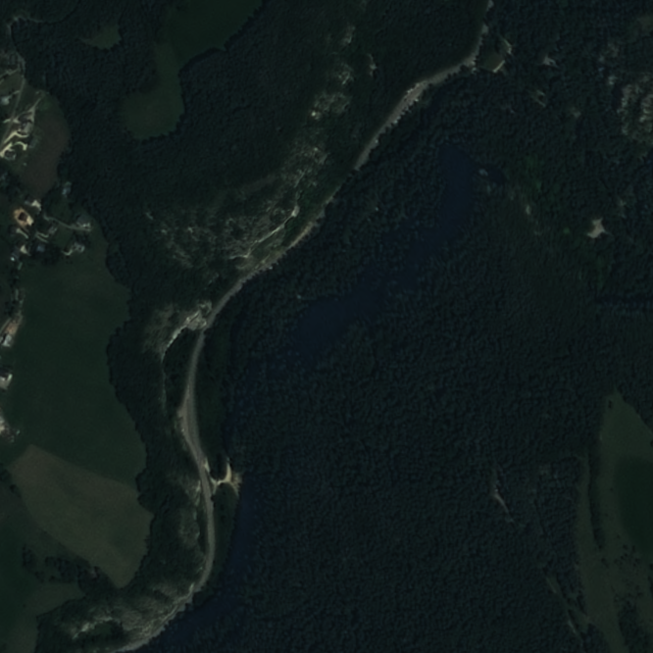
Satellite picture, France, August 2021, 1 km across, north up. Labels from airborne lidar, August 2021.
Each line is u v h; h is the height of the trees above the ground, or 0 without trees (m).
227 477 0
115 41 0
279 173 6
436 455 27
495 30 16
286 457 20
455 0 14
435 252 19
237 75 29
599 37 8
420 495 28
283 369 26
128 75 20
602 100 23
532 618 26
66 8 22
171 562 10
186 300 12
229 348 6
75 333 0
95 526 0
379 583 23
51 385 0
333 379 21
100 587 25
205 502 0
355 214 31
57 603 0
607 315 12
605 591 0
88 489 0
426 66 21
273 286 23
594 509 14
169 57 0
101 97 24
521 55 27
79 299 0
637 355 20
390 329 23
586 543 0
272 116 20
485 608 21
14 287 9
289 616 15
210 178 15
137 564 0
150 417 17
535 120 25
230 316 23
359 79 22
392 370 20
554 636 18
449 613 21
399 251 27
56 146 0
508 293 28
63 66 26
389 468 17
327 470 19
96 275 0
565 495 24
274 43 16
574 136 18
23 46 18
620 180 29
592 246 26
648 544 0
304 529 17
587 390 30
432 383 21
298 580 19
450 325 23
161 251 12
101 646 0
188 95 19
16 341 0
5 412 0
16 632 0
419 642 24
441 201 29
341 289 22
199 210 8
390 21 23
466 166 23
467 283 17
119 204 27
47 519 0
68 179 6
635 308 25
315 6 18
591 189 25
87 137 24
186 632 28
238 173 14
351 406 17
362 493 15
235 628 27
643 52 7
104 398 0
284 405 20
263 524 19
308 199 20
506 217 9
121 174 15
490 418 27
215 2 0
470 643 25
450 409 19
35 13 11
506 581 20
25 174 0
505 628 23
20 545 0
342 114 12
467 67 19
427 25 24
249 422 24
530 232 16
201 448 0
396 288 19
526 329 15
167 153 24
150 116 0
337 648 27
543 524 24
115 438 0
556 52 11
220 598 11
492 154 25
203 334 0
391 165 24
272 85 18
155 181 11
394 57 24
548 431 22
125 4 26
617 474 0
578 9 19
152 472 16
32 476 0
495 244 18
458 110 23
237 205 6
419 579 15
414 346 21
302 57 14
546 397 17
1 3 24
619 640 0
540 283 12
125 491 0
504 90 25
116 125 24
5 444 0
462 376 25
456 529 26
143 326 12
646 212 22
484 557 24
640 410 16
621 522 0
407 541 20
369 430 21
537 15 26
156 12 27
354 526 17
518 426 26
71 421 0
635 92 8
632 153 21
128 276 22
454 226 18
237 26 0
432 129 25
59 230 0
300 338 26
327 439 20
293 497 20
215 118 29
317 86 16
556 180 21
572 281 16
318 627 21
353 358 19
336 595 30
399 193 27
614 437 0
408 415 25
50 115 0
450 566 29
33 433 0
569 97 23
